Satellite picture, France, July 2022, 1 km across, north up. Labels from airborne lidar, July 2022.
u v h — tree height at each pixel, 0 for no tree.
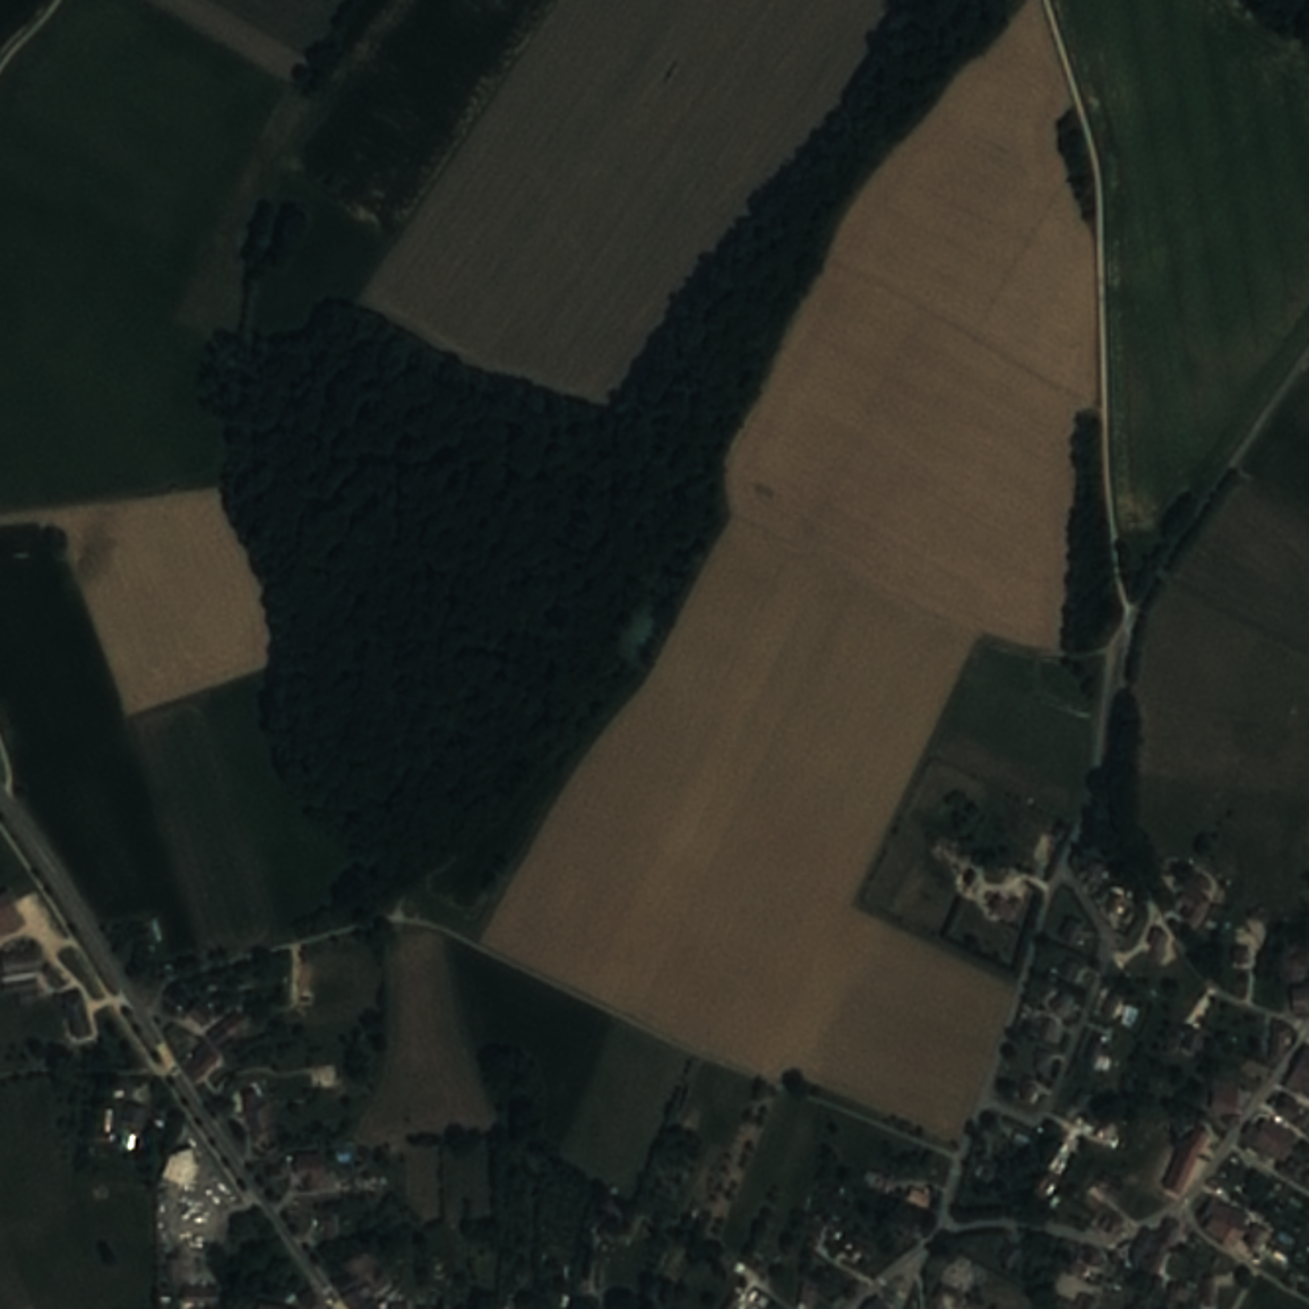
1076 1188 6
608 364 0
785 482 0
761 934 0
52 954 0
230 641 0
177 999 14
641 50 0
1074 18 0
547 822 0
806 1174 0
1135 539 0
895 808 0
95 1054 12
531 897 0
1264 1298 0
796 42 0
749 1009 0
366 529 31
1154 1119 0
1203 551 0
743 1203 0
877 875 0
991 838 0
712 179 0
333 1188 0
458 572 24
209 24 0
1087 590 9
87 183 0
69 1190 0
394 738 24
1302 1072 0
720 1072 0
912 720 0
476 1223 11
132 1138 0
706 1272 0
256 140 0
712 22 0
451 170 0
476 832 15
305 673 28
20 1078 7
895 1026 0
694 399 23
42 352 0
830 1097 0
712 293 20
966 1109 0
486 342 0
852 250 0
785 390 0
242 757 0
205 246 0
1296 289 0
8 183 0
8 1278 0
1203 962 15
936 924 0
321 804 21
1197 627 0
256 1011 16
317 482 26
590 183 0
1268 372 0
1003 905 0
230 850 0
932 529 0
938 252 0
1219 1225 0
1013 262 0
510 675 22
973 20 27
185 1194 0
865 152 24
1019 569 0
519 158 0
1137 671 7
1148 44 0
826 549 0
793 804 0
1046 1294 16
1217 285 0
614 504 27
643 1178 10
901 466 0
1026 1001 6
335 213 0
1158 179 0
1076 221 0
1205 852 11
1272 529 0
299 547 28
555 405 30
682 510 24
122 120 0
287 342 15
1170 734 0
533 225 0
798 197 22
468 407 24
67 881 0
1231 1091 0
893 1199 6
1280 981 6
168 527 0
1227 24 0
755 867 0
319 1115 0
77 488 0
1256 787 0
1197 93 0
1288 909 0
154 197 0
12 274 0
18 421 0
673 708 0
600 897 0
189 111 0
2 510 0
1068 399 0
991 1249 0
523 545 30
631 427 25
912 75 25
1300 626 0
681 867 0
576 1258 7
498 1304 7
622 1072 0
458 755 27
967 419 0
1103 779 20
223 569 0
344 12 11
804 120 0
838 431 0
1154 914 0
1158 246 0
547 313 0
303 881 0
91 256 0
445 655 27
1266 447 0
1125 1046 0
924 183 0
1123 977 6
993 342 0
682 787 0
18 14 0
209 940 0
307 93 7
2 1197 0
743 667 0
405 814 24
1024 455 0
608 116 0
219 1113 12
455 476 29
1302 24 25
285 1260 6
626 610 22
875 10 0
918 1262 0
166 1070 0
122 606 0
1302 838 0
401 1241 16
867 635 0
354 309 14
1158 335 0
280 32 0
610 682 7
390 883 25
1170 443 0
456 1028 0
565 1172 15
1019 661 0
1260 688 0
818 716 0
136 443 0
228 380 20
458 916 0
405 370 26
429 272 0
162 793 0
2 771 0
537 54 0
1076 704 0
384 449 13
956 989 0
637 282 0
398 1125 0
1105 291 0
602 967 0
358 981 0
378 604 25
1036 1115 0
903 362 0
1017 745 0
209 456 0
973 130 0
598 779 0
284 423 22
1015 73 0
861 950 0
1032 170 0
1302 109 0
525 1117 16
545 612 21
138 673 0
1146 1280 6
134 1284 0
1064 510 0
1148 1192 0
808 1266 6
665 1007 0
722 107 0
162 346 0
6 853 0
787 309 21
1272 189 0
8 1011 0
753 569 0
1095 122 0
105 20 0
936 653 0
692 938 0
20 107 0
